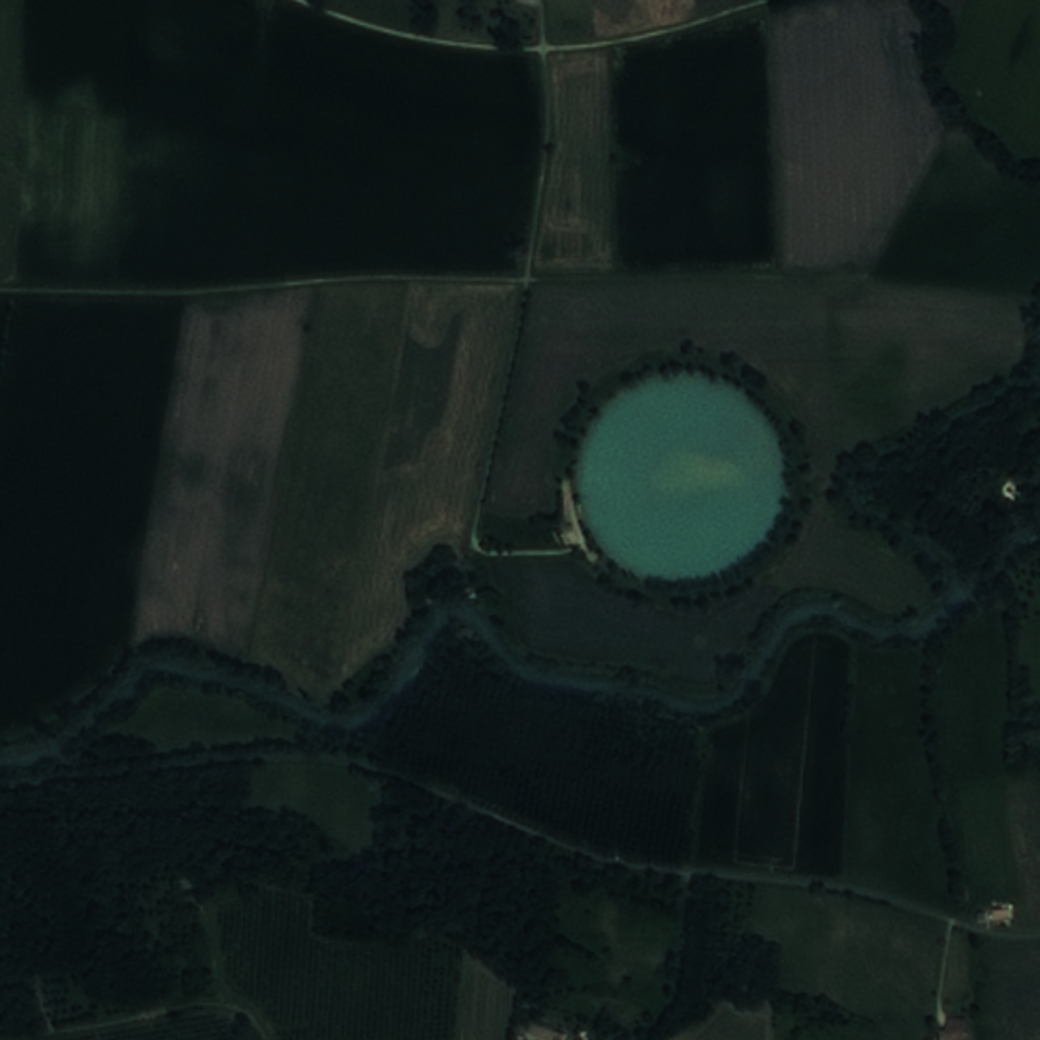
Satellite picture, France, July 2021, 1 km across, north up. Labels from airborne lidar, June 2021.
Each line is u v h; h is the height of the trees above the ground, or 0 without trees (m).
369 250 0
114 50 0
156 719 0
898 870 0
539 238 0
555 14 0
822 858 0
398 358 0
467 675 25
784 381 0
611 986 0
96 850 24
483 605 13
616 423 0
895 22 0
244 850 19
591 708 27
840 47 0
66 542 0
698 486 0
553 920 16
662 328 0
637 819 26
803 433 19
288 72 0
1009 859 0
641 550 0
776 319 0
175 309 0
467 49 0
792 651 0
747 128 0
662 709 13
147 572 0
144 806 7
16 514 0
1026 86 0
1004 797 0
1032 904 0
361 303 0
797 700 0
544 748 25
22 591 0
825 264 0
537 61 0
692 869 0
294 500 0
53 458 0
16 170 0
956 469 21
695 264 0
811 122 0
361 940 8
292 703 0
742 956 17
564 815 22
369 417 0
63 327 0
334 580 0
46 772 11
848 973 0
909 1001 0
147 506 0
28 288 0
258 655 0
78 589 0
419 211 0
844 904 0
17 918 13
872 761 0
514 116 0
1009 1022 0
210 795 18
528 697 28
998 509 22
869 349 0
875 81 0
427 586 15
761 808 0
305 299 0
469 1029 0
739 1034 0
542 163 0
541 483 0
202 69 0
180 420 0
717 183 0
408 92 0
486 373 0
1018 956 0
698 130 0
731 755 0
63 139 0
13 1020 21
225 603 0
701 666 0
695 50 0
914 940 0
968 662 0
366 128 0
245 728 0
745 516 0
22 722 0
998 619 0
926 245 0
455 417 0
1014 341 0
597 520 0
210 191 0
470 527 0
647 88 0
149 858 16
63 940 23
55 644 0
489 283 0
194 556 0
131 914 20
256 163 0
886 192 0
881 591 0
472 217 0
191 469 0
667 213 0
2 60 0
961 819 0
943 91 11
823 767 0
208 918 0
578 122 0
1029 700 16
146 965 25
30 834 17
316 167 0
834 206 0
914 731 0
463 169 0
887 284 0
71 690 0
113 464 0
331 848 21
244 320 0
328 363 0
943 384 0
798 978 0
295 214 0
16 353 0
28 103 0
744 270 0
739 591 15
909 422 0
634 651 0
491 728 27
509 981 18
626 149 0
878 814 0
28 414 0
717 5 0
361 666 0
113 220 0
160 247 0
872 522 12
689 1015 15
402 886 9
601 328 0
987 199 0
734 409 0
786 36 0
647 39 0
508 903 18
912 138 0
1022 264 0
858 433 0
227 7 0
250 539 0
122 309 0
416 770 16
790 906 0
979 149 12
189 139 0
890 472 14
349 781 0
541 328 0
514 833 17
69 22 0
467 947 7
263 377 0
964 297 0
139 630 0
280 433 0
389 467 0
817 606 0
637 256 0
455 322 0
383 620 0
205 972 11
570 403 0
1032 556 10
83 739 10
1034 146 0
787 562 0
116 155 0
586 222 0
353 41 0
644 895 12
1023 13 0
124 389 0
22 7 0
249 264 0
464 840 26
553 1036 0
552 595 0
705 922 17
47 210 0
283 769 0
